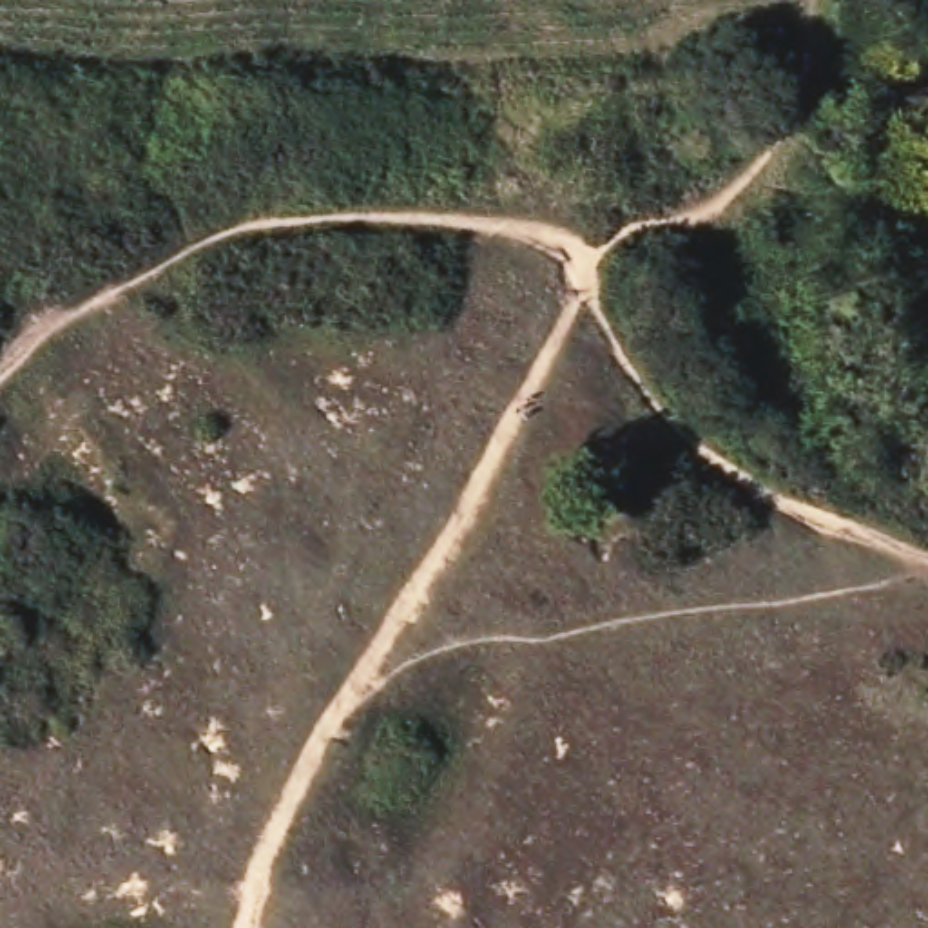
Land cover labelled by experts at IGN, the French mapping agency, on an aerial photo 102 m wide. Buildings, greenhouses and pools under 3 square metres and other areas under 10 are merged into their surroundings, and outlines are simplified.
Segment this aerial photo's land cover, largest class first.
<instances>
[{"label":"herbaceous vegetation","instance_id":"1","mask_svg":"<svg viewBox=\"0 0 928 928\"><path fill-rule=\"evenodd\" d=\"M841 15L837 0H798L743 11L736 25L754 33L758 54L776 58V65L787 76L798 80V112L808 120L823 98L845 102L848 94V40L834 29ZM453 73L464 83H471L475 102L497 116V138H504L515 152L493 167L497 181H464L460 170L435 174V185L421 203L410 196L406 178L388 170V192L377 207L544 221L576 232L584 243L595 247L609 239L624 221L711 199L747 163L740 156H721L714 145H707L700 131L685 138L674 134L671 80L663 73V62L653 54H522L489 65H453ZM776 163L718 221L696 225L674 254V276L696 297L707 337L732 344V363L754 381V399L765 410L783 413L787 424L776 435L779 460L776 482L787 497L830 508L845 518H859L928 551V489L921 482L892 479L895 468L906 464L910 446L892 428L874 435L863 424L856 428L837 410V392L834 384H827L830 373L819 363L816 326V308H830L834 297L823 283H812L805 276L808 254L798 247V239L776 243V236L761 228V218L772 210V196L794 189L787 167L794 156L790 138L772 141L769 149ZM334 210L319 185L286 178L268 214ZM569 279L566 265L551 257V250L475 232L471 286L457 323L450 330L417 334L406 352L395 348L392 337H373L366 323H352V330L341 334L337 323L323 315V326L286 319L272 330L268 344H228V355H210L199 348V330L192 323V305L203 297L196 257L170 268L145 290H134L116 305L65 326L44 348H36V355L7 384H0V486L36 482L40 489H54L62 479L83 482L131 529V566L149 573L163 587L156 656H149V663H138L131 649H112L105 660V674H87V685H80L76 732L47 736V743L33 750L0 747V928H232L239 914V881L247 874V863L257 848V837L272 808L279 805V794L297 765L301 747L308 743L315 721L359 663V656L366 653V645L373 642L392 602L431 551L442 526L450 522L475 464L486 453V442L500 413L526 381L537 352L544 348L562 312ZM609 344L616 341L613 334L609 337L591 319V312L580 308L562 355L555 359L544 388L533 395L522 431L511 442L497 479L489 482L475 526L460 540L457 558L431 584L421 616L406 624L395 638V649L406 656L413 649H428L457 634H547L624 613L805 595L819 587L888 576L899 566V558H888L852 540L823 537L808 522L776 511V504L765 500L758 486H747L725 475L721 468L707 464L700 457V442L692 428L678 424L671 413L660 410H653V399L638 377L631 381L616 366ZM587 457L602 464L598 489L602 504L613 511L605 515L602 544L576 533H551L544 526L540 508V486L555 482L562 471H573L576 460ZM671 482L707 486L711 493L732 500L740 511H747L750 529L758 537L711 551L700 562L685 566L678 576L649 580L638 569H627L616 558V547L642 533L631 518L649 515L653 500ZM424 689L446 700L450 714H457L468 725V740L450 754V765L431 798L417 801L402 790V761L410 743H402L395 714ZM261 928H928V576L917 587H888L816 605L678 616L660 624L584 634L558 645H475L417 663L413 671L399 674L381 692H373L344 721L341 736L326 747L323 769L315 772L286 830V841L272 863V888L261 910Z\"/></svg>","mask_w":928,"mask_h":928},{"label":"brushwood","instance_id":"2","mask_svg":"<svg viewBox=\"0 0 928 928\"><path fill-rule=\"evenodd\" d=\"M515 152L504 138H497V116L475 102L471 83H464L453 73V65L402 54L326 58L308 47H265L250 54L239 51L203 54L192 62H167L0 47V355L29 323V315L47 308H73L94 297L98 290L156 265L189 239L268 214L286 178L319 185L334 210L377 207L388 192V170L406 178L410 196L421 203L435 185V174L460 170L464 181H497L493 167ZM794 189L772 196V210L761 218V228L776 236V243L798 239V247L808 254L805 276L812 283H823L834 297H881V319L895 334L910 337V366L928 370V210H895L881 196L845 192L834 185L823 163L801 152L794 156L787 167ZM475 232L424 225H312L250 232L239 239H225L196 257L203 297L192 305V323L199 330V348L210 355H228V344H268L272 330L286 319L323 326V315L337 323L341 334L352 330V323H366L373 337H392L395 348L406 352L417 334L450 330L457 323L471 286ZM131 529L83 482L62 479L54 489H40L36 482L0 486V747L33 750L47 743V736L76 732L80 685H87V674H105V660L112 649H131L138 663H149V656H156L163 587L149 573L131 566ZM402 743H410L402 761V790L417 801L431 798L450 765V754L468 740V725L457 714H450L446 700L424 689L395 714Z\"/></svg>","mask_w":928,"mask_h":928},{"label":"deciduous trees","instance_id":"3","mask_svg":"<svg viewBox=\"0 0 928 928\"><path fill-rule=\"evenodd\" d=\"M841 15L834 29L848 40V94L845 102L823 98L808 120L798 112V80L787 76L776 65V58L758 54L754 33L736 25L743 11L718 15L707 29L682 36L674 47H656L653 54L663 62V73L671 80L674 134L685 138L700 131L707 145H714L721 156H740L747 163L769 149L772 141L790 138L794 156L801 152L823 163L834 185L845 192L881 196L895 210H928V0H837ZM696 225L634 232L602 261V305L613 319V334L616 341L653 377L660 410L671 413L678 424L692 428L700 442L718 446L736 464H747L754 471H765L769 460H779L776 435L787 424L783 413L765 410L754 399V381L732 363V344L707 337L696 297L674 276V254ZM881 297H834L830 308H816V326L819 363L830 373L827 384H834L837 392V410L856 428L863 424L874 435L892 428L910 446L906 464L895 468L892 479L921 482L928 489V370L910 366V337L895 334L881 319ZM602 464L587 457L576 460L573 471H562L555 482L540 486V508L544 526L551 533H576L602 544L605 515L613 511L602 504L598 489ZM642 533L616 547V558L627 569H638L649 580L678 576L685 566L700 562L711 551L758 537L750 529L747 511H740L732 500L711 493L707 486L671 482L653 500L649 515L631 518Z\"/></svg>","mask_w":928,"mask_h":928},{"label":"pervious surface","instance_id":"4","mask_svg":"<svg viewBox=\"0 0 928 928\"><path fill-rule=\"evenodd\" d=\"M776 163L769 149L747 163L711 199L624 221L609 239L595 247L584 243L576 232L544 221L377 207L334 210L268 214L189 239L156 265L98 290L94 297L73 308H47L29 315V323L0 355V384H7L36 355V348H44L65 326L116 305L134 290H145L170 268L196 257L225 239H239L250 232L312 225H424L475 232L551 250V257L566 265L569 279L562 312L544 348L537 352L526 381L500 413L486 442V453L475 464L450 522L442 526L431 551L392 602L373 642L366 645V653L359 656V663L315 721L308 743L301 747L297 765L279 794V805L272 808L257 837V848L247 863V874L239 881V914L232 928H261V910L272 888V863L286 841V830L315 772L323 769L326 747L341 736L344 721L373 692H381L399 674L413 671L417 663L475 645H558L584 634L660 624L678 616L816 605L888 587H917L928 576V551L859 518H845L830 508L787 497L776 482L779 460H769L765 471H754L747 464H736L718 446L700 442V457L707 464L721 468L725 475L747 486H758L765 500L776 504V511L808 522L823 537L852 540L888 558H899V566L888 576L819 587L805 595L624 613L547 634H457L428 649H413L406 656L395 649V638L406 624L421 616L431 584L457 558L460 540L475 526L489 482L497 479L511 442L522 431L533 395L544 388L555 359L562 355L580 308L591 312V319L609 337L613 334V319L602 305V261L634 232L696 225L718 221ZM616 366L631 381L638 377L653 399V410H660L653 377L616 341L609 344Z\"/></svg>","mask_w":928,"mask_h":928},{"label":"agricultural land","instance_id":"5","mask_svg":"<svg viewBox=\"0 0 928 928\"><path fill-rule=\"evenodd\" d=\"M798 0H0V47L167 62H192L203 54L239 51L250 54L265 47H308L326 58L402 54L453 65H489L522 54H653L656 47H674L682 36L707 29L718 15L743 11Z\"/></svg>","mask_w":928,"mask_h":928}]
</instances>
